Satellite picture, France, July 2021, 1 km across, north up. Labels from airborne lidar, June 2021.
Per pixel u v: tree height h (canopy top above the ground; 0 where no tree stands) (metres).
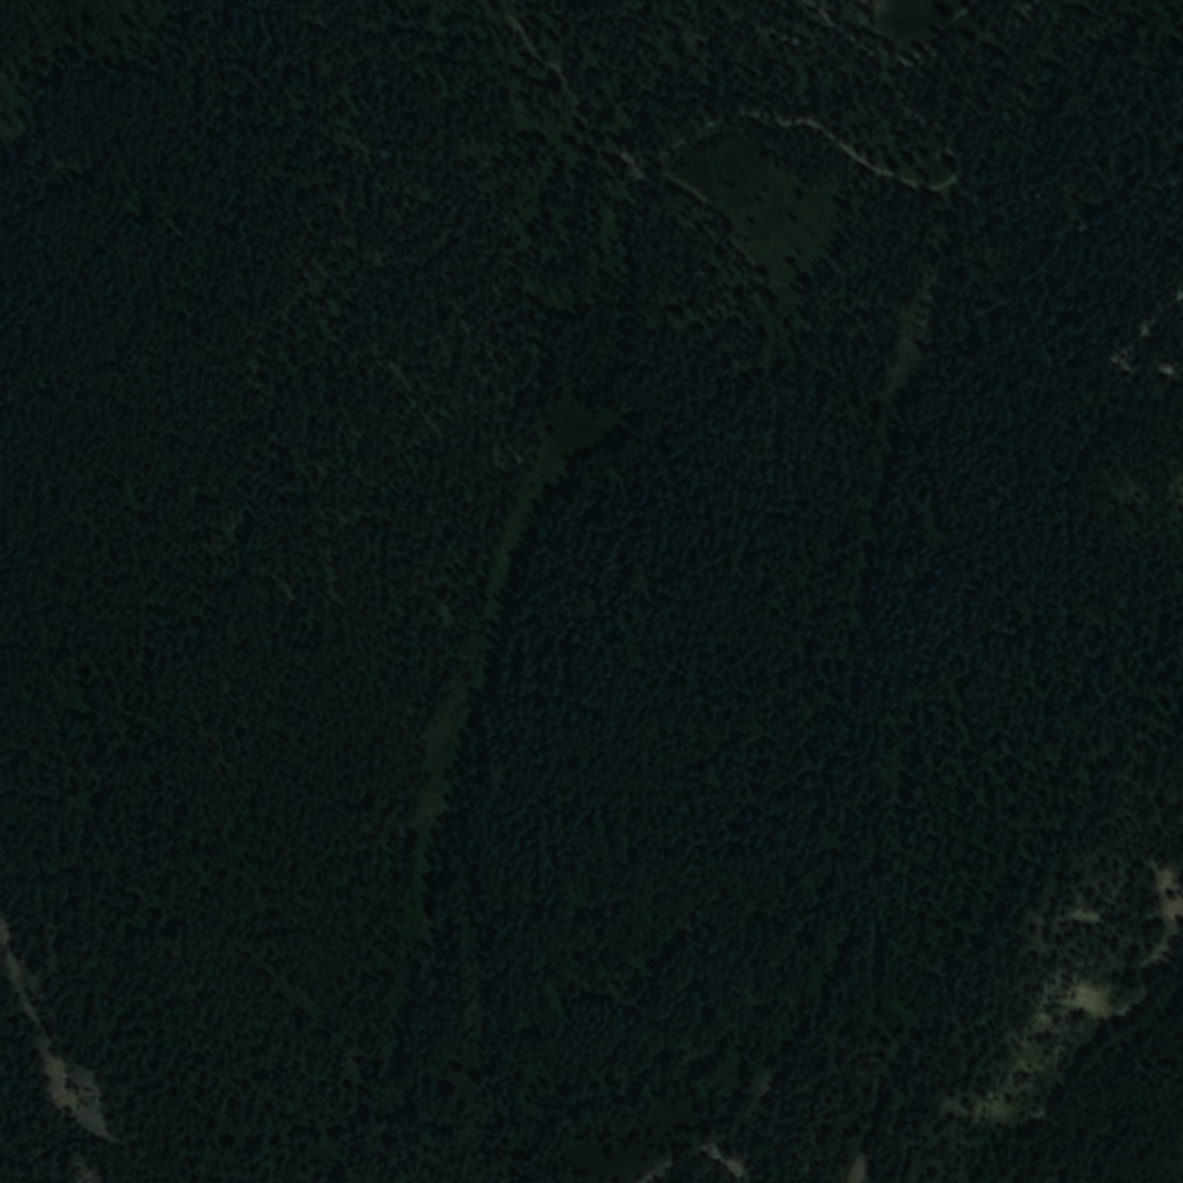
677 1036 23
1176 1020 26
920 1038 14
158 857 18
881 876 17
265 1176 15
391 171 18
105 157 26
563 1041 23
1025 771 21
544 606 21
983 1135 13
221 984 19
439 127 19
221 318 23
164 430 24
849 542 23
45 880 17
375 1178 9
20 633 21
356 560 15
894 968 17
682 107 26
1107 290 23
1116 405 17
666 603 24
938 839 13
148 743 22
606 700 19
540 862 27
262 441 25
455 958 27
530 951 18
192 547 22
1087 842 17
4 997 18
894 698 14
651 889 21
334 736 21
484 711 27
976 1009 16
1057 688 24
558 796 22
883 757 12
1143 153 23
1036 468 22
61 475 19
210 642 18
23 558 18
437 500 26
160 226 29
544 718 22
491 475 20
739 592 23
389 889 21
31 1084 14
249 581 22
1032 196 10
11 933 6
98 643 17
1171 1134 14
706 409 10
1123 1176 22
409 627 22
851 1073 14
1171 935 0
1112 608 23
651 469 13
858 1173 0
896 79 24
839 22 31
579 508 25
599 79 28
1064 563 19
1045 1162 20
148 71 26
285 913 24
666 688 16
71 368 22
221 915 21
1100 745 19
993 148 28
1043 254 23
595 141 33
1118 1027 25
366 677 24
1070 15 33
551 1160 6
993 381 26
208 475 26
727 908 24
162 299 26
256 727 22
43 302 21
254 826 16
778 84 24
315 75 12
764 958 19
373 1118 17
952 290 13
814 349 28
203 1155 20
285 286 24
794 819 10
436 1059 25
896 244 20
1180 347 22
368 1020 19
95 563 25
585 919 22
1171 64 6
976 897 19
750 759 22
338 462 16
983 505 14
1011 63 33
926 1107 12
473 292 25
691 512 22
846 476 21
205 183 31
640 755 20
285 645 23
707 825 22
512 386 12
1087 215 16
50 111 22
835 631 22
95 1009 13
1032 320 19
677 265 22
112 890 18
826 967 20
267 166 24
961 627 13
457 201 23
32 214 21
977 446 11
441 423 24
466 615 20
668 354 22
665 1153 13
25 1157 13
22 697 21
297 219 15
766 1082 0
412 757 22
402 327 14
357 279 17
